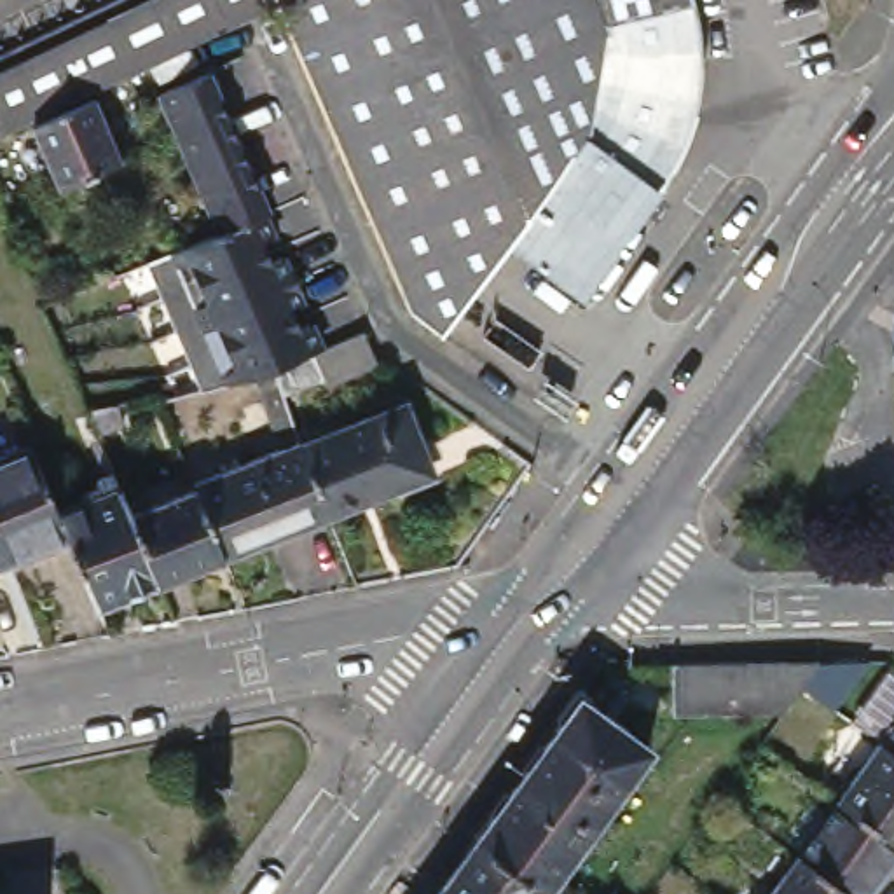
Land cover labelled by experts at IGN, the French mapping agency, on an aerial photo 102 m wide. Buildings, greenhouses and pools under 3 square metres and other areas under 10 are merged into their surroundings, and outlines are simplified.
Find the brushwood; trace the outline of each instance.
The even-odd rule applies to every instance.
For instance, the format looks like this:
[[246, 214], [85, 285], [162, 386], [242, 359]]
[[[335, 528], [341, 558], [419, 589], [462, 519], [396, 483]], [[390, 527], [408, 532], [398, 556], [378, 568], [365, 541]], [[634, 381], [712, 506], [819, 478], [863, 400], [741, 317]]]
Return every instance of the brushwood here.
[[716, 796], [709, 786], [702, 786], [688, 803], [688, 828], [677, 835], [671, 856], [657, 863], [643, 891], [629, 891], [622, 880], [601, 880], [587, 873], [573, 877], [566, 894], [751, 894], [754, 880], [779, 863], [786, 831], [796, 824], [796, 817], [793, 810], [772, 803], [751, 803], [740, 814], [733, 800]]
[[14, 332], [0, 325], [0, 416], [24, 419], [24, 405], [35, 402], [35, 395], [28, 388], [24, 370], [14, 360]]
[[430, 405], [426, 412], [419, 412], [426, 437], [437, 444], [447, 433], [454, 433], [447, 412]]
[[744, 779], [747, 789], [758, 782], [761, 772], [786, 768], [782, 754], [775, 754], [772, 747], [737, 747], [730, 768]]
[[503, 457], [492, 447], [471, 447], [457, 468], [444, 471], [444, 482], [437, 489], [409, 496], [402, 506], [384, 517], [384, 531], [402, 569], [416, 573], [433, 566], [454, 566], [457, 517], [485, 520], [485, 510], [496, 503], [489, 489], [510, 485], [520, 471], [513, 457]]
[[290, 601], [279, 562], [265, 548], [251, 552], [244, 562], [227, 566], [234, 583], [244, 590], [244, 608]]
[[80, 866], [77, 852], [52, 849], [52, 894], [101, 894]]
[[49, 171], [35, 171], [28, 171], [17, 182], [17, 189], [3, 196], [7, 255], [10, 265], [35, 283], [35, 307], [45, 314], [87, 412], [122, 409], [129, 416], [129, 430], [119, 437], [129, 447], [157, 447], [154, 423], [168, 426], [171, 447], [185, 447], [189, 440], [175, 412], [175, 398], [192, 391], [192, 381], [182, 377], [175, 384], [164, 384], [164, 370], [157, 363], [87, 370], [87, 360], [101, 349], [129, 349], [143, 342], [140, 321], [115, 311], [115, 304], [59, 318], [56, 307], [98, 276], [133, 272], [161, 255], [175, 255], [196, 244], [196, 241], [192, 241], [192, 230], [196, 230], [196, 220], [203, 217], [199, 196], [192, 192], [192, 178], [182, 171], [178, 143], [168, 133], [164, 112], [157, 108], [157, 80], [143, 80], [136, 94], [122, 101], [129, 129], [140, 140], [140, 150], [122, 154], [122, 168], [157, 175], [143, 210], [136, 210], [129, 199], [112, 199], [98, 185], [91, 192], [56, 192]]
[[384, 381], [395, 377], [395, 370], [374, 360], [374, 370], [363, 377], [353, 377], [335, 388], [314, 388], [307, 405], [335, 409], [374, 395]]
[[66, 632], [59, 625], [63, 604], [56, 601], [56, 587], [38, 573], [17, 576], [42, 643], [77, 643], [77, 632]]
[[112, 636], [126, 629], [126, 622], [171, 622], [178, 618], [175, 594], [150, 597], [147, 604], [105, 618]]
[[332, 534], [314, 534], [328, 559], [346, 573], [346, 587], [356, 587], [391, 573], [377, 555], [367, 520], [353, 517], [332, 524]]

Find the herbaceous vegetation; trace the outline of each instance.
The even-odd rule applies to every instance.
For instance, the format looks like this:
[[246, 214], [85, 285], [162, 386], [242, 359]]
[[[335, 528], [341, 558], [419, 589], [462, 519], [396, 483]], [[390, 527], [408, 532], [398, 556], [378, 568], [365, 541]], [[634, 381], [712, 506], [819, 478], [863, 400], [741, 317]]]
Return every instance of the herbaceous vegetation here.
[[129, 349], [101, 349], [87, 360], [87, 370], [157, 363], [154, 346], [143, 342]]
[[810, 569], [803, 559], [803, 541], [775, 545], [765, 534], [758, 534], [754, 524], [740, 520], [737, 527], [744, 552], [737, 552], [733, 566], [751, 573]]
[[[150, 786], [150, 765], [164, 765], [175, 754], [189, 758], [196, 768], [196, 800], [203, 807], [224, 803], [227, 821], [203, 828], [203, 817], [192, 807], [168, 807]], [[56, 765], [38, 772], [31, 768], [24, 779], [49, 814], [108, 814], [119, 831], [150, 842], [161, 856], [161, 887], [168, 894], [182, 894], [189, 887], [185, 863], [196, 863], [203, 870], [234, 870], [241, 852], [286, 803], [300, 775], [307, 772], [304, 723], [290, 716], [269, 716], [230, 723], [230, 716], [220, 709], [206, 730], [178, 726], [154, 737], [150, 765], [129, 765], [126, 754], [108, 754], [77, 765]]]
[[115, 304], [129, 297], [129, 286], [105, 290], [98, 276], [56, 307], [59, 318]]
[[14, 360], [24, 370], [28, 388], [35, 395], [35, 402], [24, 405], [24, 419], [0, 416], [0, 464], [28, 457], [35, 478], [49, 485], [59, 517], [73, 513], [101, 478], [94, 454], [77, 440], [73, 430], [73, 423], [87, 412], [45, 314], [35, 307], [35, 283], [10, 265], [7, 255], [3, 196], [17, 189], [17, 182], [28, 171], [35, 171], [35, 154], [17, 140], [10, 154], [0, 157], [0, 325], [14, 332]]
[[[688, 803], [702, 786], [709, 786], [716, 796], [733, 800], [740, 814], [751, 803], [772, 803], [793, 810], [796, 817], [814, 803], [831, 800], [831, 789], [824, 782], [835, 768], [824, 765], [824, 751], [838, 740], [838, 730], [845, 730], [852, 716], [873, 698], [880, 681], [894, 674], [894, 657], [887, 664], [866, 664], [863, 681], [845, 695], [842, 712], [831, 712], [814, 695], [800, 695], [782, 719], [688, 719], [677, 712], [677, 702], [667, 698], [660, 698], [657, 705], [653, 737], [657, 761], [643, 775], [629, 814], [618, 824], [611, 824], [604, 838], [590, 849], [587, 873], [601, 880], [622, 880], [629, 891], [643, 891], [657, 863], [671, 856], [677, 835], [688, 828]], [[761, 772], [758, 782], [747, 789], [744, 779], [730, 768], [737, 747], [772, 747], [775, 754], [782, 754], [786, 768]]]
[[761, 457], [768, 461], [768, 471], [775, 478], [793, 471], [800, 482], [814, 482], [821, 468], [831, 468], [824, 461], [824, 450], [838, 430], [838, 412], [852, 398], [856, 377], [856, 363], [845, 356], [845, 349], [835, 349], [817, 363], [817, 370], [810, 374], [810, 381], [793, 398], [789, 412], [779, 419], [775, 433], [761, 447]]

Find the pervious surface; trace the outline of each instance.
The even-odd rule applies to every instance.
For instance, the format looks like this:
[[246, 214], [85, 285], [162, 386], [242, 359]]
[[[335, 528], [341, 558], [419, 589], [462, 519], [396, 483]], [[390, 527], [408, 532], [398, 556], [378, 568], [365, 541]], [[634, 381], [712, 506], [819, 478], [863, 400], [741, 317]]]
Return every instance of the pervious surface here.
[[227, 370], [217, 367], [196, 374], [192, 381], [192, 391], [175, 398], [175, 412], [189, 440], [230, 440], [265, 426], [265, 409], [255, 384], [230, 388]]

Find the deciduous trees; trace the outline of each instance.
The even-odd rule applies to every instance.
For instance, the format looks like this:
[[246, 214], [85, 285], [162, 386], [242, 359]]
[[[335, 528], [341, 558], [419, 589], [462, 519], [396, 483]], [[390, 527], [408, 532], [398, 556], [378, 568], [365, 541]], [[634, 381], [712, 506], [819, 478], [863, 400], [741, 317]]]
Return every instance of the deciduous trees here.
[[863, 457], [831, 468], [821, 468], [814, 482], [800, 482], [793, 471], [775, 478], [765, 489], [744, 492], [737, 506], [740, 520], [754, 524], [758, 534], [765, 534], [775, 545], [803, 541], [803, 559], [810, 569], [821, 580], [842, 587], [884, 583], [884, 576], [894, 573], [894, 444], [877, 444]]
[[276, 42], [283, 42], [293, 31], [307, 7], [269, 14], [269, 31]]
[[175, 754], [164, 765], [150, 765], [150, 786], [168, 807], [192, 807], [203, 817], [203, 828], [227, 821], [224, 803], [203, 807], [196, 800], [196, 768], [189, 758]]

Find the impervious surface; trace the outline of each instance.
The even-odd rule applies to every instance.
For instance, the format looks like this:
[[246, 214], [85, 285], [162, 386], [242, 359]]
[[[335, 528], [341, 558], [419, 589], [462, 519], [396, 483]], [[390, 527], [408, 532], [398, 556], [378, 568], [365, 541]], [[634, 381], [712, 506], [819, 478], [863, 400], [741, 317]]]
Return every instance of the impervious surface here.
[[0, 0], [0, 77], [105, 28], [112, 17], [129, 14], [150, 0]]
[[230, 217], [203, 217], [196, 220], [196, 230], [192, 230], [192, 241], [196, 241], [196, 244], [203, 244], [203, 241], [213, 241], [213, 237], [224, 237], [224, 234], [230, 234], [230, 230], [234, 230], [234, 220], [230, 220]]
[[164, 286], [178, 283], [185, 304], [196, 307], [199, 283], [185, 276], [175, 255], [161, 255], [133, 272], [98, 276], [105, 290], [129, 286], [129, 297], [115, 304], [115, 311], [140, 321], [143, 342], [154, 346], [157, 363], [164, 370], [164, 384], [175, 384], [182, 377], [192, 381], [196, 374], [192, 356], [178, 339], [178, 321], [171, 318], [171, 307], [164, 300]]
[[122, 101], [105, 108], [122, 154], [140, 150], [140, 140], [129, 129]]
[[[737, 552], [744, 552], [737, 527], [740, 520], [737, 506], [744, 492], [765, 489], [775, 478], [768, 471], [768, 461], [761, 457], [761, 447], [775, 433], [779, 419], [789, 412], [793, 398], [810, 381], [810, 374], [817, 370], [817, 363], [835, 349], [845, 349], [845, 356], [856, 363], [856, 377], [852, 398], [838, 412], [838, 430], [824, 450], [824, 461], [831, 468], [863, 457], [877, 444], [894, 444], [894, 0], [695, 0], [695, 21], [702, 31], [702, 101], [695, 140], [688, 147], [681, 171], [674, 175], [671, 196], [657, 203], [650, 220], [639, 227], [639, 251], [622, 262], [618, 283], [597, 304], [569, 297], [566, 311], [552, 311], [538, 300], [541, 272], [531, 262], [513, 258], [506, 272], [496, 279], [492, 293], [468, 311], [468, 321], [457, 328], [457, 335], [440, 342], [419, 335], [412, 325], [402, 321], [402, 304], [381, 262], [367, 258], [363, 234], [353, 224], [346, 189], [332, 171], [328, 147], [321, 140], [321, 122], [314, 108], [304, 105], [290, 66], [272, 52], [276, 42], [269, 31], [255, 35], [251, 28], [234, 28], [220, 31], [206, 45], [217, 56], [241, 56], [234, 59], [234, 77], [244, 94], [272, 94], [272, 105], [248, 112], [244, 126], [262, 133], [262, 143], [272, 157], [272, 185], [283, 234], [290, 234], [293, 244], [307, 244], [321, 234], [335, 237], [332, 251], [307, 258], [307, 279], [290, 290], [290, 304], [304, 307], [318, 300], [335, 328], [353, 318], [367, 318], [377, 339], [384, 342], [370, 353], [370, 346], [356, 335], [349, 342], [325, 349], [321, 356], [311, 356], [290, 374], [255, 384], [265, 409], [265, 426], [230, 440], [189, 440], [185, 447], [171, 447], [168, 426], [154, 423], [157, 447], [129, 447], [119, 437], [129, 430], [129, 416], [122, 409], [87, 412], [73, 423], [73, 430], [77, 440], [94, 454], [101, 478], [119, 482], [129, 506], [154, 506], [178, 492], [189, 492], [189, 485], [217, 475], [227, 464], [241, 464], [265, 450], [311, 440], [335, 426], [384, 412], [388, 405], [412, 402], [419, 412], [426, 412], [430, 405], [447, 412], [454, 433], [447, 433], [437, 444], [440, 450], [433, 464], [437, 471], [444, 471], [457, 468], [471, 447], [492, 447], [503, 457], [513, 457], [520, 471], [510, 485], [489, 489], [496, 503], [485, 510], [485, 520], [457, 517], [454, 566], [433, 566], [416, 573], [402, 569], [384, 531], [384, 517], [402, 506], [384, 503], [381, 510], [367, 510], [367, 520], [377, 555], [391, 573], [356, 587], [346, 587], [346, 573], [328, 559], [314, 534], [314, 527], [304, 527], [279, 541], [269, 541], [265, 548], [279, 562], [290, 601], [244, 608], [244, 590], [234, 583], [227, 566], [220, 566], [217, 576], [175, 587], [175, 594], [178, 618], [171, 622], [126, 622], [126, 629], [112, 636], [105, 618], [98, 594], [84, 580], [84, 569], [70, 545], [59, 545], [56, 552], [42, 555], [45, 566], [38, 573], [56, 587], [56, 601], [63, 604], [59, 625], [66, 632], [77, 632], [77, 643], [42, 643], [17, 576], [7, 569], [0, 573], [0, 894], [52, 894], [52, 849], [77, 852], [80, 866], [101, 894], [168, 894], [161, 887], [161, 856], [150, 842], [119, 831], [108, 814], [49, 814], [24, 779], [31, 768], [38, 772], [56, 765], [77, 765], [108, 754], [126, 754], [129, 765], [150, 765], [154, 737], [178, 726], [206, 730], [220, 709], [230, 716], [230, 723], [269, 716], [290, 716], [304, 723], [307, 772], [300, 775], [286, 803], [241, 852], [234, 870], [203, 870], [196, 863], [185, 863], [189, 887], [182, 894], [444, 894], [444, 880], [450, 877], [450, 870], [471, 849], [475, 835], [517, 786], [524, 768], [555, 733], [559, 719], [569, 712], [576, 698], [590, 698], [646, 740], [653, 737], [657, 705], [660, 698], [667, 698], [671, 667], [866, 664], [887, 664], [894, 657], [894, 573], [884, 576], [884, 583], [842, 587], [821, 580], [810, 569], [751, 573], [733, 566]], [[374, 370], [374, 360], [395, 370], [395, 377], [384, 381], [374, 395], [335, 409], [307, 405], [314, 388], [335, 388], [353, 377], [363, 377]]]
[[143, 210], [157, 175], [122, 168], [98, 185], [112, 199], [129, 199], [136, 210]]

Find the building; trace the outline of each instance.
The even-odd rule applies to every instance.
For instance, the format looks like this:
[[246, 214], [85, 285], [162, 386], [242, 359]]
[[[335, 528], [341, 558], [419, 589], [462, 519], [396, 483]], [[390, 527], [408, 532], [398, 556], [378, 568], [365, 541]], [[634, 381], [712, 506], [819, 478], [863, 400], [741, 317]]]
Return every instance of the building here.
[[384, 503], [402, 506], [409, 496], [437, 489], [444, 482], [444, 471], [437, 471], [433, 464], [440, 450], [437, 444], [426, 437], [419, 412], [412, 402], [388, 405], [384, 412], [335, 426], [311, 440], [265, 450], [241, 464], [227, 464], [217, 475], [189, 485], [189, 492], [178, 492], [154, 506], [129, 506], [119, 482], [101, 478], [73, 513], [59, 517], [49, 485], [35, 478], [28, 457], [0, 464], [0, 573], [7, 569], [17, 576], [38, 573], [45, 566], [42, 555], [56, 552], [59, 545], [70, 545], [84, 569], [84, 580], [98, 594], [105, 618], [147, 604], [150, 597], [175, 594], [175, 587], [217, 576], [220, 566], [227, 566], [244, 562], [251, 552], [265, 548], [269, 541], [279, 541], [304, 527], [314, 527], [314, 534], [332, 534], [332, 524], [353, 517], [367, 520], [367, 510], [381, 510]]
[[671, 667], [667, 698], [677, 702], [677, 712], [688, 719], [782, 719], [800, 695], [814, 695], [831, 712], [842, 712], [845, 695], [863, 681], [866, 664]]
[[779, 863], [754, 880], [751, 894], [894, 894], [894, 674], [880, 681], [873, 698], [852, 716], [845, 730], [838, 730], [838, 740], [824, 751], [824, 765], [835, 768], [824, 782], [831, 789], [831, 800], [814, 803], [796, 817], [796, 824], [786, 831]]
[[587, 873], [590, 849], [604, 838], [611, 824], [618, 824], [629, 814], [643, 775], [657, 761], [653, 737], [646, 740], [590, 698], [576, 698], [569, 712], [559, 719], [555, 733], [524, 768], [517, 786], [475, 835], [471, 849], [450, 870], [450, 877], [444, 880], [444, 894], [566, 894], [573, 877]]
[[353, 224], [363, 234], [367, 258], [381, 262], [402, 304], [402, 321], [412, 325], [419, 335], [440, 342], [457, 335], [457, 328], [468, 321], [468, 311], [492, 293], [496, 279], [506, 272], [513, 258], [531, 262], [541, 272], [538, 300], [552, 311], [566, 311], [569, 297], [597, 304], [618, 283], [622, 262], [639, 251], [639, 227], [650, 220], [657, 203], [671, 196], [674, 175], [681, 171], [688, 147], [695, 140], [702, 101], [702, 31], [695, 21], [695, 0], [150, 0], [129, 14], [112, 17], [105, 28], [0, 77], [0, 157], [10, 154], [17, 140], [35, 154], [35, 171], [49, 171], [56, 192], [91, 192], [98, 185], [122, 168], [122, 154], [105, 108], [122, 101], [136, 94], [143, 80], [157, 80], [157, 108], [164, 112], [168, 133], [178, 143], [182, 171], [192, 178], [192, 192], [199, 196], [203, 217], [230, 217], [230, 220], [234, 220], [234, 230], [230, 230], [230, 234], [224, 234], [224, 237], [213, 237], [213, 241], [203, 241], [203, 244], [196, 244], [175, 255], [185, 276], [199, 283], [196, 307], [185, 304], [178, 283], [164, 286], [164, 300], [171, 307], [171, 318], [178, 321], [178, 339], [192, 356], [196, 374], [217, 367], [227, 370], [230, 388], [255, 384], [290, 374], [311, 356], [321, 356], [325, 349], [349, 342], [356, 335], [370, 346], [370, 353], [384, 342], [377, 339], [367, 318], [353, 318], [335, 328], [318, 300], [304, 307], [290, 304], [290, 290], [307, 279], [307, 258], [332, 251], [335, 237], [321, 234], [307, 244], [293, 244], [290, 234], [283, 234], [272, 185], [272, 157], [262, 143], [262, 133], [244, 126], [248, 112], [272, 105], [272, 94], [244, 94], [234, 77], [234, 59], [241, 56], [217, 56], [206, 45], [220, 31], [234, 28], [251, 28], [255, 35], [269, 31], [269, 14], [307, 7], [293, 31], [283, 42], [276, 42], [272, 52], [290, 66], [304, 105], [314, 108], [321, 122], [321, 140], [328, 147], [332, 171], [346, 189]]

